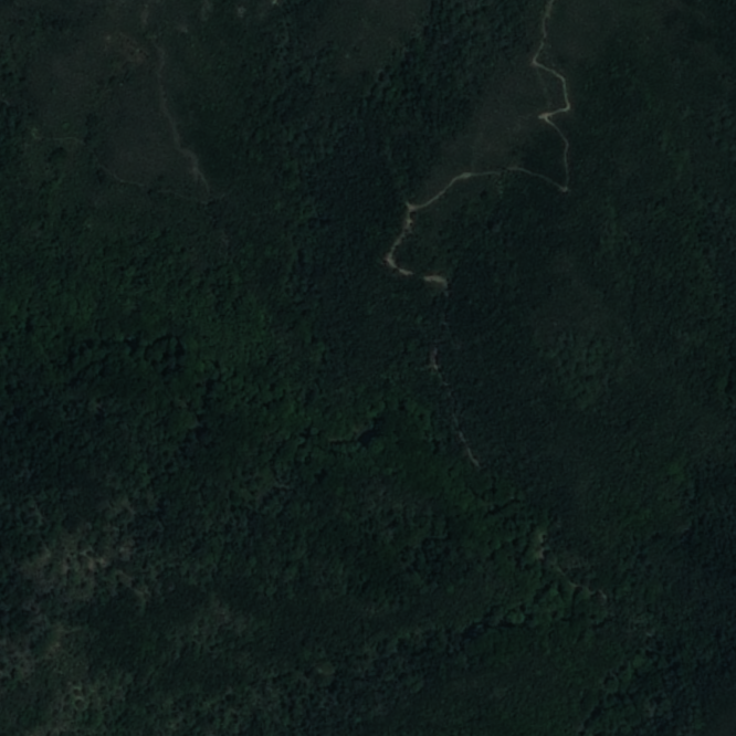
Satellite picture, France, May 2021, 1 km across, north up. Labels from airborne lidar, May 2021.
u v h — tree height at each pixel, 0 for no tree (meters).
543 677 12
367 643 18
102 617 17
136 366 33
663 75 5
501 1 8
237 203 6
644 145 10
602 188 15
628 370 6
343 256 16
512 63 6
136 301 25
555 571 19
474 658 22
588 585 17
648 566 15
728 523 18
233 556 21
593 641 11
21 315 26
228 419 24
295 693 16
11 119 16
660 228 14
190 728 6
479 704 11
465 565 14
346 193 15
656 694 13
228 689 18
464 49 13
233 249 10
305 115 10
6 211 12
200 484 13
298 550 20
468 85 12
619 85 9
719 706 7
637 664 26
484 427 10
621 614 14
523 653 15
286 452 33
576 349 14
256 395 30
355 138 13
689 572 11
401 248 5
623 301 9
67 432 23
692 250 14
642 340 16
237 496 22
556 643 15
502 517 24
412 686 18
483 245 15
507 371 11
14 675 16
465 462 23
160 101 0
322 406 23
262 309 15
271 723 15
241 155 11
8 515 16
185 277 7
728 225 12
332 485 27
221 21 6
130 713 16
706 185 6
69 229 6
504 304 11
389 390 22
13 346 27
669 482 20
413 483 28
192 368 29
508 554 30
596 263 14
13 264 12
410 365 21
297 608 8
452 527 28
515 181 7
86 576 9
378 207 11
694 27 6
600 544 9
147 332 32
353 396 11
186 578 13
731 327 17
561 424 8
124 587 16
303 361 11
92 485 12
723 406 17
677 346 18
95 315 17
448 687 11
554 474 10
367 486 19
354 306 10
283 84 20
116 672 18
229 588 10
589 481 7
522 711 13
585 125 6
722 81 7
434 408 17
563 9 0
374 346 9
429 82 12
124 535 16
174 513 19
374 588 21
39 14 8
